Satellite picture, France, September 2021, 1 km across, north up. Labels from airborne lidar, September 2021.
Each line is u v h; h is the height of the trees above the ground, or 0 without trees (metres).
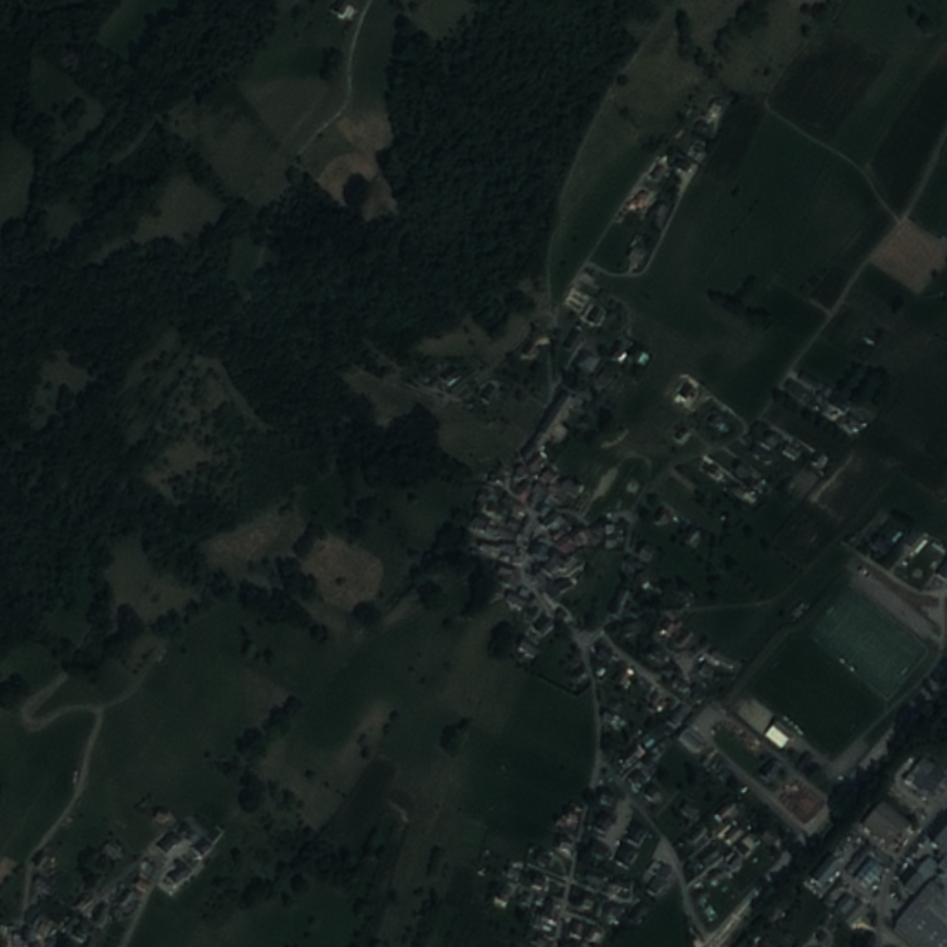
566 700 0
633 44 8
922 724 22
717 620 0
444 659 0
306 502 0
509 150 18
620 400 0
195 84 24
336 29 0
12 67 19
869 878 0
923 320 0
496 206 23
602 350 9
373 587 0
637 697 0
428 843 0
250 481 13
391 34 0
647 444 0
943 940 0
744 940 7
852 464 0
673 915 0
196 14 25
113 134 9
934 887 0
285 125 0
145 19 0
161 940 0
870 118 0
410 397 0
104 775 0
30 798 0
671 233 0
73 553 14
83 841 0
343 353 16
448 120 19
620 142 0
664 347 0
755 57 0
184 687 0
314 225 21
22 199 0
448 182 14
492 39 11
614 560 0
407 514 0
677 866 0
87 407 21
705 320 0
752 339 0
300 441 20
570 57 24
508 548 0
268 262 0
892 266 0
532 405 0
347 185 0
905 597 0
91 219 6
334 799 0
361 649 0
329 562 0
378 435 22
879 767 10
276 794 17
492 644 8
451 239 8
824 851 14
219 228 10
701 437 0
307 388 19
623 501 0
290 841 9
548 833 0
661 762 0
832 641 0
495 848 0
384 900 0
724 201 0
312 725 0
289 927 0
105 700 0
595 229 0
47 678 0
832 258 0
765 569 0
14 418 21
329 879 18
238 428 13
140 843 0
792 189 0
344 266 14
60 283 27
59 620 0
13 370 19
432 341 23
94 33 14
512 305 13
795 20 0
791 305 0
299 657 0
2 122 22
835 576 0
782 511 0
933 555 0
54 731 0
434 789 0
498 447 0
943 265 0
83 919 10
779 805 0
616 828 0
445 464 28
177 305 18
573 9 9
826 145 0
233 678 0
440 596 19
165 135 29
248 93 0
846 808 21
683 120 9
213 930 0
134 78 19
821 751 0
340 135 0
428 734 0
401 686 0
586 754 0
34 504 15
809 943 0
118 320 18
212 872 0
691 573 0
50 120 8
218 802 0
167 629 17
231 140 0
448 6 0
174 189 0
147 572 0
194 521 19
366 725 0
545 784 0
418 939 8
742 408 0
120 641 13
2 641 10
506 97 12
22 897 6
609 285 0
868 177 0
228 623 0
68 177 18
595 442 9
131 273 19
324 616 0
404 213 15
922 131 0
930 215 0
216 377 11
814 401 0
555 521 0
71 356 17
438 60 15
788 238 0
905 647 0
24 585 18
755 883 0
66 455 16
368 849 9
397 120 17
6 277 25
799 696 0
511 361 7
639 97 0
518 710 0
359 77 0
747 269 0
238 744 0
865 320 0
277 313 16
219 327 18
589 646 0
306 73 0
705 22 0
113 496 24
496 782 0
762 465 0
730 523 11
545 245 18
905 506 0
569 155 14
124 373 16
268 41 24
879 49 0
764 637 0
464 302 24
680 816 6
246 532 0
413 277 13
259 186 0
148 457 14
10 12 8
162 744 0
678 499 0
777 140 0
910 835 0
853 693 0
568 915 0
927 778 0
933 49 0
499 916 0
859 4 0
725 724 0
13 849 0
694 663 0
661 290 0
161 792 0
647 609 12
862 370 10
